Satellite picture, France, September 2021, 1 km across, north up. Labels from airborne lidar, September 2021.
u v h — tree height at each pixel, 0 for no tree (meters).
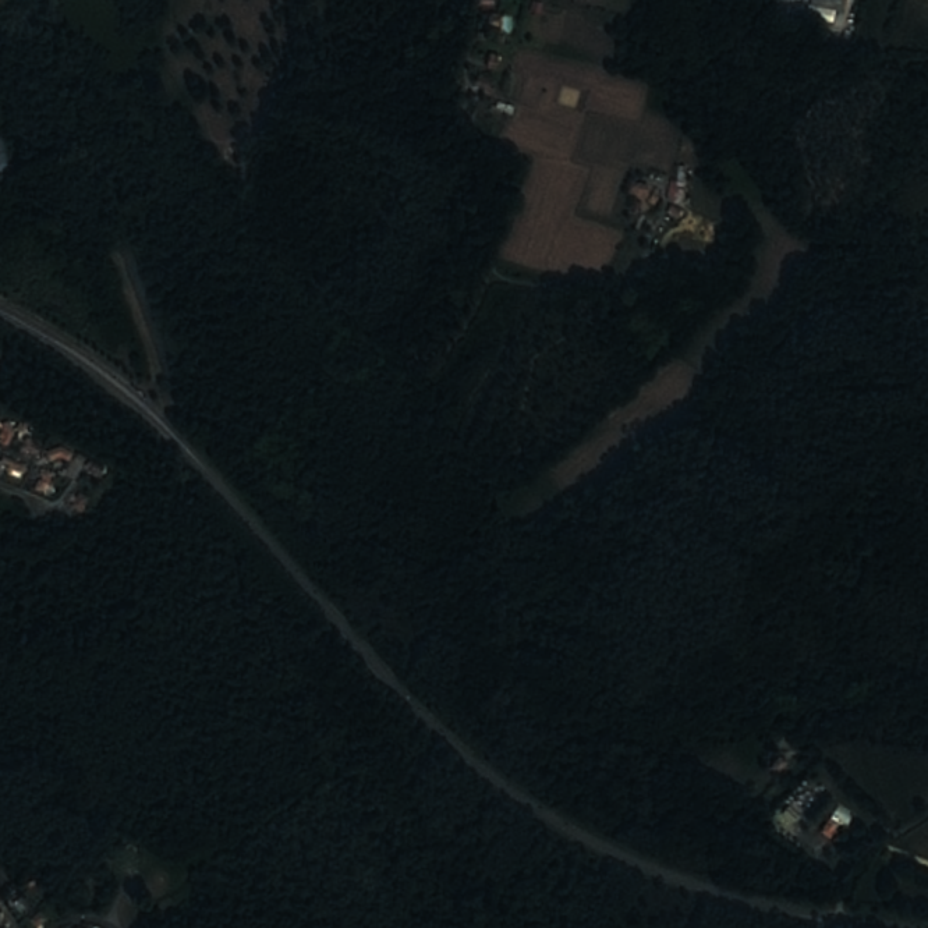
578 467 0
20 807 27
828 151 20
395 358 21
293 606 14
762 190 16
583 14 0
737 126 25
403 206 22
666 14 19
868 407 27
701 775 21
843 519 19
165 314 9
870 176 15
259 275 14
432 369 23
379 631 9
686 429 32
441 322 10
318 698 21
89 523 12
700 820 24
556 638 23
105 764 13
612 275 16
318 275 9
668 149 0
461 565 26
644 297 23
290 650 20
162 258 7
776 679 15
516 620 19
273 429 12
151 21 9
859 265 23
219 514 13
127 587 7
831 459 20
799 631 10
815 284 18
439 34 26
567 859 7
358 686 14
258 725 10
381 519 22
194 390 8
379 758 21
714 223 0
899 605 6
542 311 7
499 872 19
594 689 20
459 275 25
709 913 18
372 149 14
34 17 9
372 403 13
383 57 19
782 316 19
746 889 18
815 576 14
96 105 18
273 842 16
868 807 14
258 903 11
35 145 8
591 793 21
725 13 23
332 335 15
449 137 21
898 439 20
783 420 12
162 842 13
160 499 6
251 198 12
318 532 17
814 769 8
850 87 19
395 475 17
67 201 11
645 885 14
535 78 0
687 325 20
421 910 8
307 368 14
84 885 20
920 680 23
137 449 21
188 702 10
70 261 7
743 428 19
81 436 19
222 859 7
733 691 22
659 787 19
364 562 20
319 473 13
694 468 27
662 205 8
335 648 14
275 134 21
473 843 13
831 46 23
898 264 15
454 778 26
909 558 14
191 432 10
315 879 17
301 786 9
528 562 15
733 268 23
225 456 15
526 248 0
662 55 17
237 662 15
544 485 0
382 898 9
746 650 13
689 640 24
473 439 16
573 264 0
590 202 0
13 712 14
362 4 16
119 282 8
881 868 0
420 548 18
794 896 19
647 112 0
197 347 9
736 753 0
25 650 16
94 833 27
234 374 15
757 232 22
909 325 16
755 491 28
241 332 14
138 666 16
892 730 6
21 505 6
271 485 12
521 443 10
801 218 13
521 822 19
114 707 18
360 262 21
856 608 14
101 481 8
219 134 0
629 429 0
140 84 9
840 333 23
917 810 13
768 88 9
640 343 21
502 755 23
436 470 20
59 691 15
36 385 19
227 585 10
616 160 0
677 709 26
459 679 21
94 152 6
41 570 16
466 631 14
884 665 10
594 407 14
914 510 14
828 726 14
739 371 19
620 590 29
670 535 18
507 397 11
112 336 0
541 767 9
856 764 0
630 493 24
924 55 7
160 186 7
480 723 19
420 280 21
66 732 15
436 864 18
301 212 9
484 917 17
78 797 10
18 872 10
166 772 16
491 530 11
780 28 24
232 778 16
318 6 21
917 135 19
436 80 25
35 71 9
